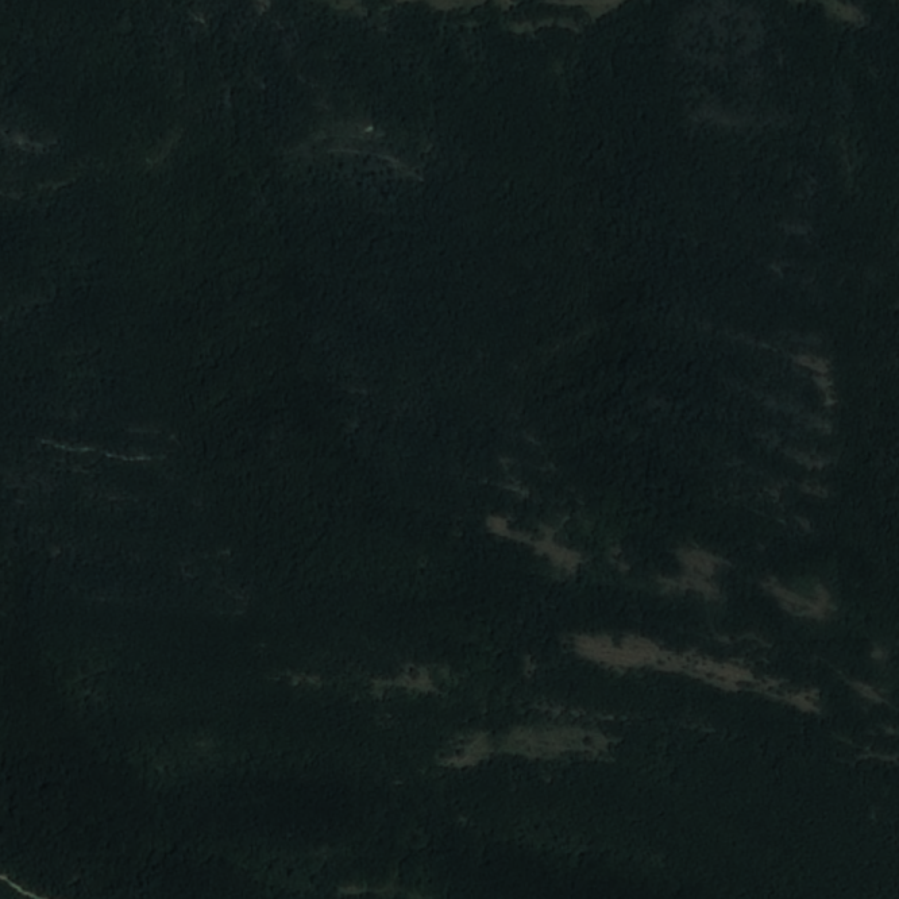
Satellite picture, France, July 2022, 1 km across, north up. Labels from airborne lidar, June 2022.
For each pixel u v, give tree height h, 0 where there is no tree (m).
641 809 15
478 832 15
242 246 16
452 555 8
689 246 8
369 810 16
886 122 15
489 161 10
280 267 18
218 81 13
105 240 13
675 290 12
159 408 8
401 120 8
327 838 13
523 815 13
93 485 7
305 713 20
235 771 14
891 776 11
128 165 8
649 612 8
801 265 8
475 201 13
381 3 10
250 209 15
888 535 15
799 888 15
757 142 6
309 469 13
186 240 13
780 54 7
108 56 11
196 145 12
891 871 12
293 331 12
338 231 12
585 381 12
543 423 14
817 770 15
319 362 11
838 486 13
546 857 17
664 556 8
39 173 11
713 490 7
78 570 8
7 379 10
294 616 9
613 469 14
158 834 19
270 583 14
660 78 12
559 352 9
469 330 11
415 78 12
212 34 8
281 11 7
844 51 17
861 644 7
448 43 11
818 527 7
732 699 12
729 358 9
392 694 10
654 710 14
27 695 11
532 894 16
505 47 13
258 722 15
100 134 10
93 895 14
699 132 8
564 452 14
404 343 12
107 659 8
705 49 6
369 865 17
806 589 0
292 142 9
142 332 9
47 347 10
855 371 9
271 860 6
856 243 7
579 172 20
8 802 8
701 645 7
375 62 12
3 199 10
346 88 6
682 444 13
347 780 17
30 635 13
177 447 16
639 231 11
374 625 12
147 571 10
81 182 9
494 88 12
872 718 8
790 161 8
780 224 7
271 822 16
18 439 9
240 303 12
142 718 15
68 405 5
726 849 13
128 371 8
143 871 13
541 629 7
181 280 17
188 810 14
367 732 15
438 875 10
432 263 12
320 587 8
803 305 9
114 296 13
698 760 14
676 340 9
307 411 15
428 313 10
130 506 7
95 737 17
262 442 13
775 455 6
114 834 14
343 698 10
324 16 8
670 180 11
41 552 9
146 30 11
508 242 14
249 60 12
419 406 6
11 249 14
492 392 10
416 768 10
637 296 9
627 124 18
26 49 8
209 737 6
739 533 8
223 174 12
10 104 6
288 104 12
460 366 8
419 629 14
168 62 9
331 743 16
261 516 13
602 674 9
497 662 13
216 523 11
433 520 11
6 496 6
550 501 8
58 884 16
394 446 9
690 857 13
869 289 7
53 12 12
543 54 11
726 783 14
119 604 8
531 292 13
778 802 14
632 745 14
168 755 8
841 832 15
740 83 6
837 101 11
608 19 14
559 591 10
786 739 12
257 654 9
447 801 14
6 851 18
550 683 16
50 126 7
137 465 11
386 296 8
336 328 11
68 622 11
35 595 11
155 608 7
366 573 7
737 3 7
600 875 18
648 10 14
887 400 12
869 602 8
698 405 13
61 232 10
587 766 11
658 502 15
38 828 16
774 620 8
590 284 16
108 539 8
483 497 10
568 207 17
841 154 6
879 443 14
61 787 18
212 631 8
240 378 11
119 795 18
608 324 13
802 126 6
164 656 11
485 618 11
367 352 8
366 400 8
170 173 11
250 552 15
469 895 16
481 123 17
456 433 8
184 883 19
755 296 9
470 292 9
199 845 17
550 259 16
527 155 16
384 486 13
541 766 9
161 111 14
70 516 10
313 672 10
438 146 7
